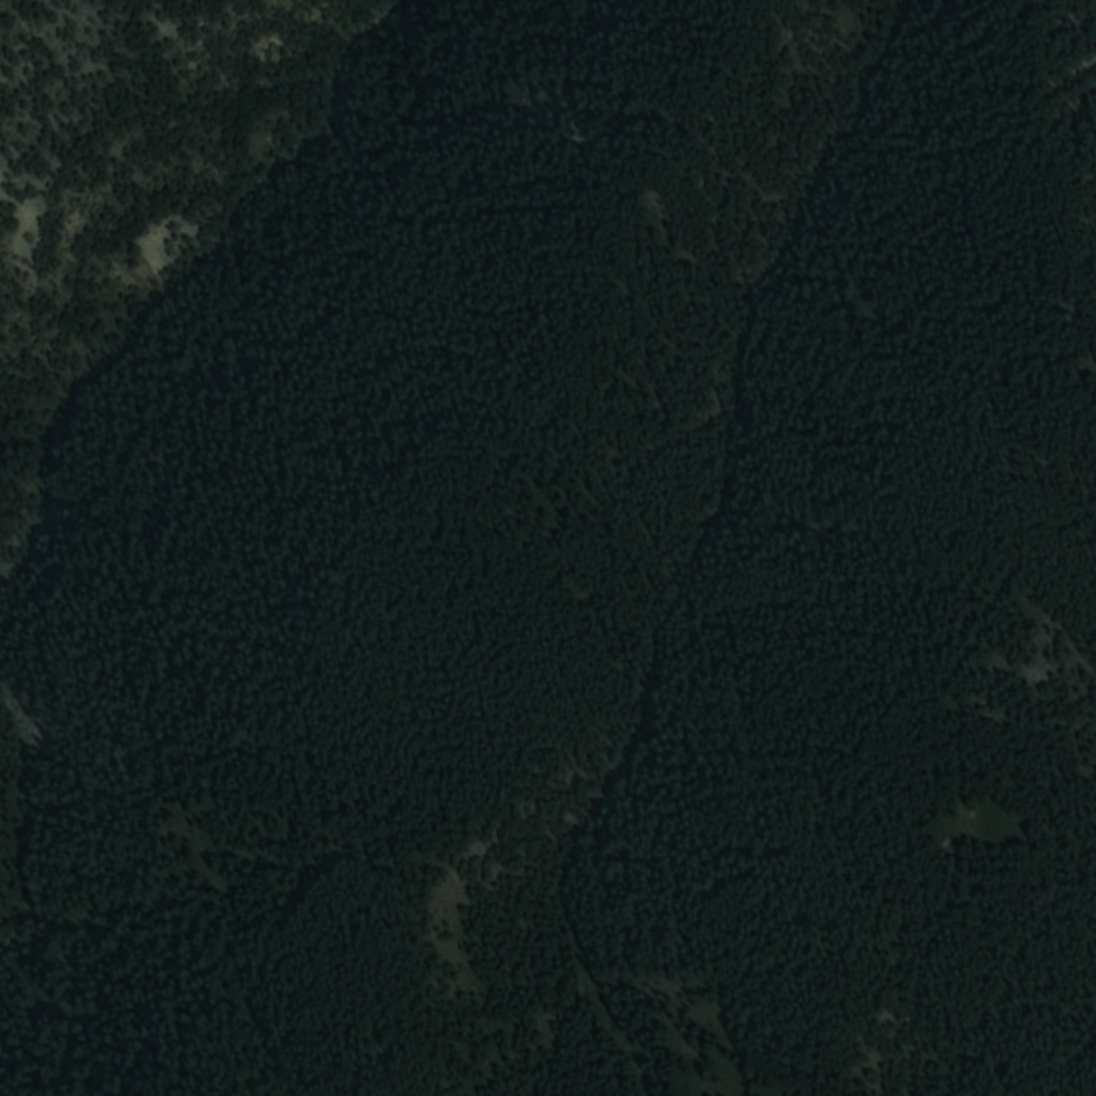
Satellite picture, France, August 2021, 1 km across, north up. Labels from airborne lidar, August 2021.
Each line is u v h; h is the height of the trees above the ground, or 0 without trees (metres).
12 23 16
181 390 20
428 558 27
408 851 21
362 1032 32
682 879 13
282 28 17
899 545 34
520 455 25
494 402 23
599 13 18
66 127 14
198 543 24
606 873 27
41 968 27
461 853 11
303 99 22
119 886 14
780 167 14
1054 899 28
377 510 21
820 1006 12
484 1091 17
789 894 30
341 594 21
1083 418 22
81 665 10
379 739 28
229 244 20
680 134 18
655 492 25
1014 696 13
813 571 28
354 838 24
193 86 7
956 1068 28
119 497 17
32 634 29
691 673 29
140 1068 14
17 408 19
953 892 27
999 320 34
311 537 17
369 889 31
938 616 19
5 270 7
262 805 20
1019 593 24
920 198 33
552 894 22
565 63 25
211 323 28
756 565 32
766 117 12
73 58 11
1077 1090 26
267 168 24
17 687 10
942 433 31
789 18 13
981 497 29
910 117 28
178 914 32
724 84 23
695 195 24
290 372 18
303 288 34
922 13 35
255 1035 32
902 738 22
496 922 15
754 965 15
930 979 28
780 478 31
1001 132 31
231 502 32
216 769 17
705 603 27
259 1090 33
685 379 29
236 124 16
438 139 21
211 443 19
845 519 31
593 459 25
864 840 21
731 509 19
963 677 14
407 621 19
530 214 29
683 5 26
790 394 29
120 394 23
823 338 22
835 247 28
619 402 23
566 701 27
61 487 10
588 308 26
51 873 29
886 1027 7
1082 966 27
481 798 21
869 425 15
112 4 14
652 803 18
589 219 34
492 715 17
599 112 12
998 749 17
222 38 11
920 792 24
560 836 13
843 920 25
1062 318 23
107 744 20
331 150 21
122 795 24
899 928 15
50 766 29
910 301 29
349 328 38
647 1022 9
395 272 32
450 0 18
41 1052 33
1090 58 11
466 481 26
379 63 18
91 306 11
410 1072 28
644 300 24
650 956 26
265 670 19
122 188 14
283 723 27
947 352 23
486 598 26
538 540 26
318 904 33
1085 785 23
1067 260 27
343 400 15
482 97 17
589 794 19
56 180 15
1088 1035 28
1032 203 32
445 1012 13
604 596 20
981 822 0
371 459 17
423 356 23
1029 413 23
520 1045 16
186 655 30
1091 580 22
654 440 22
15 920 9
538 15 9
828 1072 24
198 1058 20
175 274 18
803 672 26
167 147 13
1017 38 20
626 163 29
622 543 29
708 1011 0
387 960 28
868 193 31
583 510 25
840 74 11
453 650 20
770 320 30
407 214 30
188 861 14
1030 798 14
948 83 25
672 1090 20
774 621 24
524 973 20
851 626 21
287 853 19
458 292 27
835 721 22
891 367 22
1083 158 18
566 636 29
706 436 23
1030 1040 24
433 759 22
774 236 29
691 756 18
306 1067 37
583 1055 22
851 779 23
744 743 33
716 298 32
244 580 24
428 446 19
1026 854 25
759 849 29
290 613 20
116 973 21
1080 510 23
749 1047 27
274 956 26
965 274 26
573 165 28
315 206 19
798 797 29
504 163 32
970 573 30
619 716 26
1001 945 30
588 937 28
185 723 19
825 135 25
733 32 25
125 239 13
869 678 22
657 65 27
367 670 27
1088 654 16
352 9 18
